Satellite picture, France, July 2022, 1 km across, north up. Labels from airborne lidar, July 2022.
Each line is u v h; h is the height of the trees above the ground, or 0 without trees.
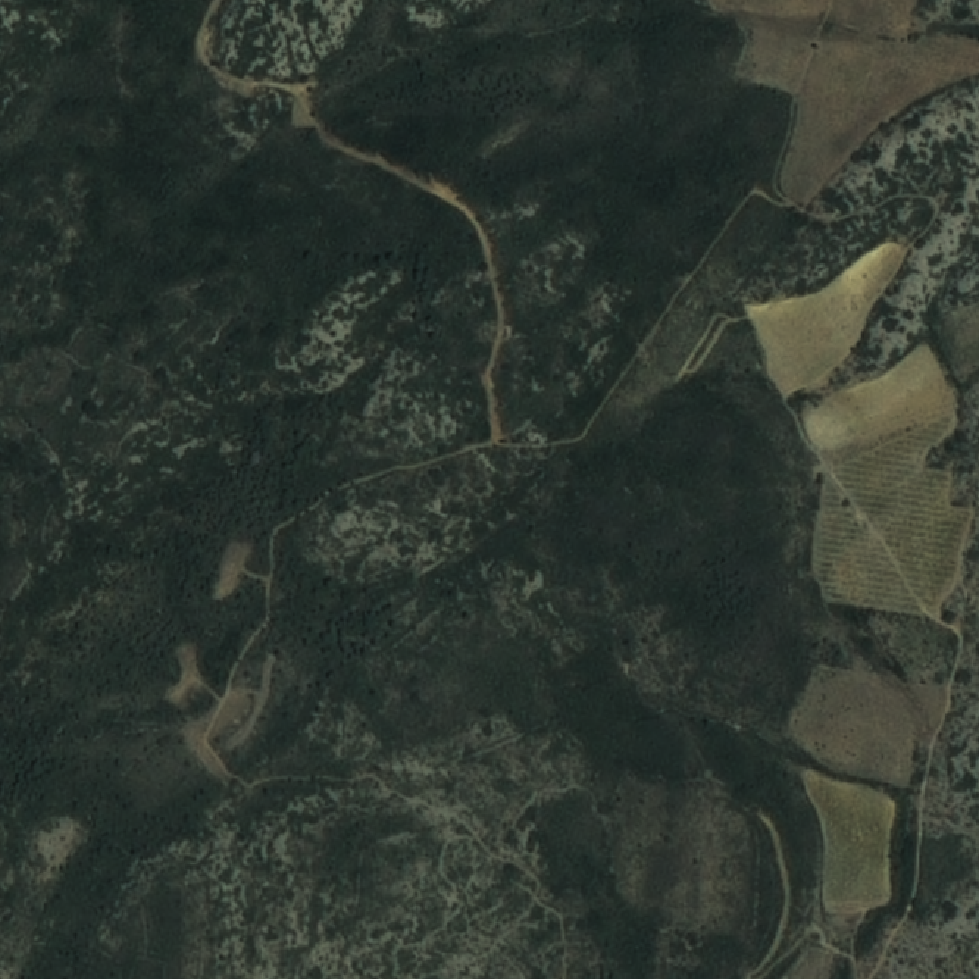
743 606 8
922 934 0
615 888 0
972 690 0
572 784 0
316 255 10
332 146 0
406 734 0
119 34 0
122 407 0
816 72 0
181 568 6
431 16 0
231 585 0
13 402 0
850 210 0
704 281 0
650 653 0
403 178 0
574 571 0
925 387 0
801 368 0
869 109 0
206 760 0
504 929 0
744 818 0
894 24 0
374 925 0
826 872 0
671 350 0
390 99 6
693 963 0
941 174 0
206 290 6
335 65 0
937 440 0
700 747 0
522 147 0
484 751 0
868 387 0
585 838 0
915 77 0
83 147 5
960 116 0
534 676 0
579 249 0
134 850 8
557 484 0
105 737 0
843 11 0
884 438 0
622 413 0
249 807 0
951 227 0
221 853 0
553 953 0
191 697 0
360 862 0
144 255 7
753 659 0
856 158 6
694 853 0
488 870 0
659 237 0
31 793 11
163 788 0
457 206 0
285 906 0
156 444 0
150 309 6
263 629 6
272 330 6
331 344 0
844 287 0
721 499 0
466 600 0
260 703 0
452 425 0
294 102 0
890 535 0
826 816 0
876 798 0
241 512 7
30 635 0
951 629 0
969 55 0
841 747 0
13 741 6
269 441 14
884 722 0
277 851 0
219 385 8
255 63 0
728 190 0
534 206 0
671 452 0
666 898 0
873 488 0
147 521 7
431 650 0
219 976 0
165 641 9
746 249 0
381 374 0
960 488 0
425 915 0
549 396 0
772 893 0
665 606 0
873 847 0
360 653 8
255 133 0
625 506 0
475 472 0
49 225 6
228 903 0
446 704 0
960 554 0
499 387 0
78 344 0
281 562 7
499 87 6
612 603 0
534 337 0
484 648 0
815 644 8
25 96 7
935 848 0
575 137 0
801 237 0
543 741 0
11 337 6
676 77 0
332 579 10
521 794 0
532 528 9
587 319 0
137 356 9
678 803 0
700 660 0
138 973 0
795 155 0
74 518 0
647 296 0
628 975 0
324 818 0
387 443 0
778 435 0
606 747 0
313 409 8
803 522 0
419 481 0
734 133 0
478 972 0
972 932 0
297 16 0
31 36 0
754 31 0
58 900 7
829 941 0
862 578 0
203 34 0
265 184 0
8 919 6
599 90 0
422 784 0
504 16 0
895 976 0
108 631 8
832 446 0
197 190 6
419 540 0
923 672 0
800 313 0
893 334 0
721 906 0
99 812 9
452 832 0
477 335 0
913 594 0
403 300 0
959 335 0
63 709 9
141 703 0
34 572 0
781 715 0
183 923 0
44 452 0
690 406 0
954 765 0
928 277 0
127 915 0
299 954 0
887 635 0
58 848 0
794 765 0
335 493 6
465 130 0
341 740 0
